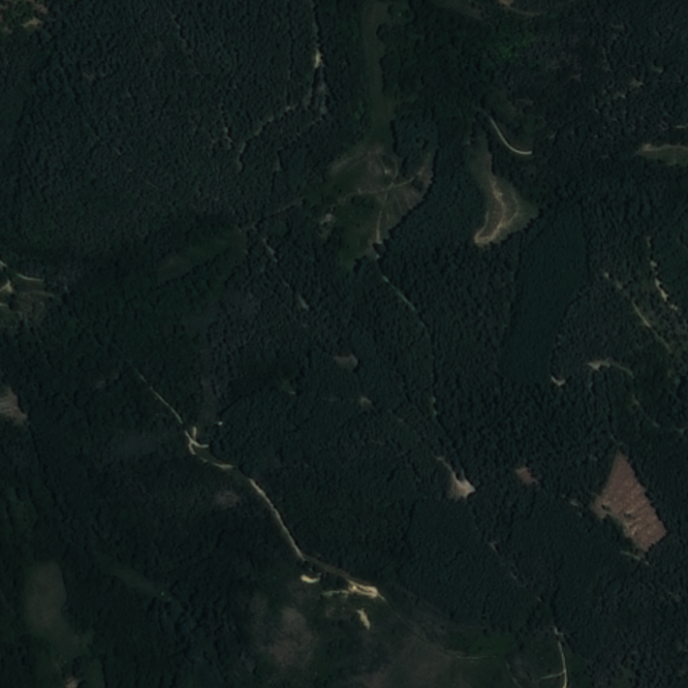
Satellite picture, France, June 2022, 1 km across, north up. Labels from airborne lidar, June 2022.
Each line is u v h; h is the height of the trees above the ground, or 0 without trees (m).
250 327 11
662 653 19
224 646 10
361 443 11
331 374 32
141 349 17
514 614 39
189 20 24
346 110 27
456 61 7
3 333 26
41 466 9
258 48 28
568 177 12
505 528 21
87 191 15
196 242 15
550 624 18
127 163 16
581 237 15
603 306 18
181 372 14
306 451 29
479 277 26
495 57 17
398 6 8
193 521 15
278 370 20
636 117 20
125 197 15
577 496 26
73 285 19
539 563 20
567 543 31
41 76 29
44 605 0
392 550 16
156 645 10
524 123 9
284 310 22
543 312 15
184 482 17
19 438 13
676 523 25
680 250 19
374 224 0
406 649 0
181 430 10
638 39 22
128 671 11
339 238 13
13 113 33
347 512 12
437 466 18
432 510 31
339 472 34
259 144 27
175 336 11
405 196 0
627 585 21
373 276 30
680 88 26
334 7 13
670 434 15
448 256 27
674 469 23
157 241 23
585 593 30
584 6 9
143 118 21
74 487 24
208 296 17
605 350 18
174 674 6
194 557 20
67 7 10
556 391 25
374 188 0
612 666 20
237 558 19
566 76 14
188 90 10
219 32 22
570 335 18
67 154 13
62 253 11
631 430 14
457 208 36
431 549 34
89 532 22
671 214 16
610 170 28
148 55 16
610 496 0
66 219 16
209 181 19
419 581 32
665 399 20
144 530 23
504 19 11
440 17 22
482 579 32
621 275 21
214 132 18
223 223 17
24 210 20
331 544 19
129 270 26
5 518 8
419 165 27
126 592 25
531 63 12
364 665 0
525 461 24
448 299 23
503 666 0
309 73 22
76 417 23
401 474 28
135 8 15
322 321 24
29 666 21
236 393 17
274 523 16
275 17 26
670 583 24
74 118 19
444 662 0
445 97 13
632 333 21
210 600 17
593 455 27
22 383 23
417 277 25
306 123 23
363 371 24
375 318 25
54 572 0
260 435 42
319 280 29
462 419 28
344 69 29
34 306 7
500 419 26
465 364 24
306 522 16
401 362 26
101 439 7
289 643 0
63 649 0
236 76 21
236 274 11
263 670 12
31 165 8
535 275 15
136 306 16
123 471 13
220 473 17
